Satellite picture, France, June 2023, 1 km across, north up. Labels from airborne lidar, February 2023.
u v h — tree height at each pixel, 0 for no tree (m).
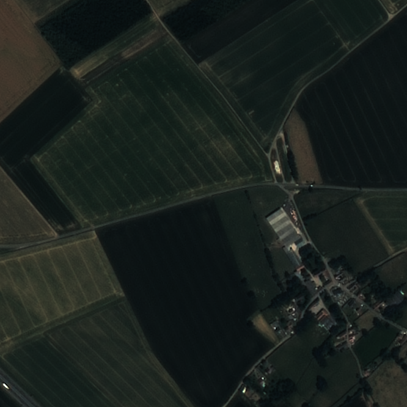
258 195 0
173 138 0
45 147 0
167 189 0
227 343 0
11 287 0
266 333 0
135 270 0
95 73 0
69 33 9
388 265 0
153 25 0
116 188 0
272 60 0
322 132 0
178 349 0
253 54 0
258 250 0
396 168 0
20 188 0
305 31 0
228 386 0
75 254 0
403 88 0
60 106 0
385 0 0
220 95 0
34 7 0
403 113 0
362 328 0
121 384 0
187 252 0
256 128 0
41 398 0
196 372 0
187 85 0
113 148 0
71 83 0
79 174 0
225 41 0
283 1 0
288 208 0
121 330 0
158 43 0
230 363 0
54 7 0
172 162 0
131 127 0
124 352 0
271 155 0
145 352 0
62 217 0
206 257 0
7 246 0
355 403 0
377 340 0
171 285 0
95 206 0
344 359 0
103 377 0
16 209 0
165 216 0
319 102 0
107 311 0
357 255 0
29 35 0
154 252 0
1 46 0
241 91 0
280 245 0
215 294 0
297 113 0
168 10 0
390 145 0
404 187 0
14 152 0
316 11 0
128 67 0
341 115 0
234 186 0
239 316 0
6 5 0
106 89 0
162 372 0
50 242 0
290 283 15
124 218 0
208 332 0
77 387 0
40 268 0
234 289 0
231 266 0
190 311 0
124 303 0
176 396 0
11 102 0
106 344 0
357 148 0
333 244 0
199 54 0
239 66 0
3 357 0
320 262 17
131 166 0
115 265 0
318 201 0
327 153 0
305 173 0
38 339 0
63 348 0
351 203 0
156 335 0
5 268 0
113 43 0
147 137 0
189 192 0
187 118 0
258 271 0
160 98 0
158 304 0
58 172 0
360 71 0
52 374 0
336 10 0
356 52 0
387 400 0
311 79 0
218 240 0
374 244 0
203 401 0
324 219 0
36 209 0
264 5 0
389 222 0
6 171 0
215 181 0
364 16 0
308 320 17
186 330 0
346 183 0
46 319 0
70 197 0
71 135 0
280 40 0
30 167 0
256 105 0
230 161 0
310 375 0
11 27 0
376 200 0
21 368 0
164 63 0
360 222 0
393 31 0
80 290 0
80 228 0
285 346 0
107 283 0
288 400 0
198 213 0
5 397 0
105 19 8
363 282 13
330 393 0
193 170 0
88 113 0
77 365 0
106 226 0
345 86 0
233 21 0
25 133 0
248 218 0
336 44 0
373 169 0
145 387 0
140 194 0
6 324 0
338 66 0
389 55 0
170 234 0
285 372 0
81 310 0
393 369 0
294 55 0
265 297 0
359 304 0
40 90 0
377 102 0
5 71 0
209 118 0
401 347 6
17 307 0
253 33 0
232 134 0
